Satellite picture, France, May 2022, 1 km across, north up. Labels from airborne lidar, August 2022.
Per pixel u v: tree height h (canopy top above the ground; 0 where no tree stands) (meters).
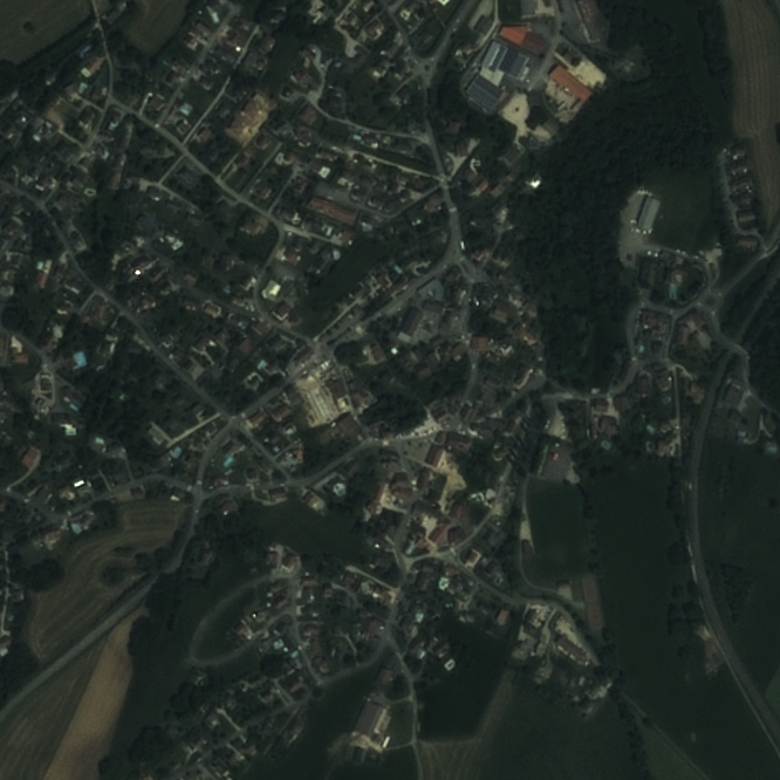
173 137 0
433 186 7
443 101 16
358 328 0
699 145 26
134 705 0
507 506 0
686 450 6
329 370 0
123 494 0
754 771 0
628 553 0
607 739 0
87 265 19
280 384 14
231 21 0
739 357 6
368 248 0
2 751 0
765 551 0
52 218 11
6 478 6
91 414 17
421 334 0
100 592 0
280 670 14
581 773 0
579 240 23
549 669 0
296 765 0
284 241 0
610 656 19
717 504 0
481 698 0
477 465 14
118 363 18
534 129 11
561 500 0
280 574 0
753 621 0
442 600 8
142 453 15
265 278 0
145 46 0
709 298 0
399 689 11
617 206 18
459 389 6
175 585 14
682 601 10
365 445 0
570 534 0
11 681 14
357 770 0
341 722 0
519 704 0
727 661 0
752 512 0
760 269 0
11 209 7
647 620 0
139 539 0
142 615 0
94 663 0
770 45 0
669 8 0
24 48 0
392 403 16
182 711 11
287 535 0
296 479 8
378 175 0
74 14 0
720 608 6
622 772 0
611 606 0
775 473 0
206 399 0
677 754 0
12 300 8
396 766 0
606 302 15
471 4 0
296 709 0
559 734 0
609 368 17
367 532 10
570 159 19
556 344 20
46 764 0
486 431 0
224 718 7
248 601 0
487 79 0
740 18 0
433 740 0
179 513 0
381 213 0
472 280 0
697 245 0
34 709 0
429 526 0
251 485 0
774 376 23
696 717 0
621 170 23
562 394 0
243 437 7
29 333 12
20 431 9
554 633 0
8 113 7
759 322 13
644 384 0
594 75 0
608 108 8
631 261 0
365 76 0
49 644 0
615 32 12
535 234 17
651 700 0
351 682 0
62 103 0
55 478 5
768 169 0
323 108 7
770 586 0
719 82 19
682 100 16
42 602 0
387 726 0
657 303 8
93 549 0
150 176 8
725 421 0
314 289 8
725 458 0
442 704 0
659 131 14
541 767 0
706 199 0
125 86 17
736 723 0
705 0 14
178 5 0
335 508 15
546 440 12
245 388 6
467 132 11
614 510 0
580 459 15
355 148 0
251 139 0
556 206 10
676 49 16
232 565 0
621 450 6
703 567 0
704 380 8
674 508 17
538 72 0
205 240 0
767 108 0
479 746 0
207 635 0
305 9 8
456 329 0
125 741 0
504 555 17
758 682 0
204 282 7
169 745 13
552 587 0
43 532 9
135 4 11
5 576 14
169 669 0
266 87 0
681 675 0
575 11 0
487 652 0
